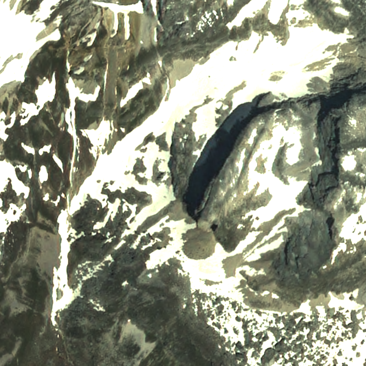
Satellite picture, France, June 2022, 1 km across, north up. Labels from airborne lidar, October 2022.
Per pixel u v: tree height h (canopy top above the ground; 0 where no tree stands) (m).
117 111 0
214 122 0
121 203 0
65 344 0
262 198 0
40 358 0
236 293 0
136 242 0
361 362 0
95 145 0
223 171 0
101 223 0
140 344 0
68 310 0
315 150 0
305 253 0
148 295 0
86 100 0
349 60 0
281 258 0
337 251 0
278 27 0
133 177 0
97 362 0
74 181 0
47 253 0
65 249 0
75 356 0
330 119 0
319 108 0
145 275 0
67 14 0
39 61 0
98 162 0
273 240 0
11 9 0
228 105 0
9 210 0
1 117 0
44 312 0
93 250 0
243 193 0
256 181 0
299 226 0
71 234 0
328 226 0
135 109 0
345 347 0
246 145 0
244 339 0
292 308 0
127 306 0
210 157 0
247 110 0
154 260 0
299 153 0
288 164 0
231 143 0
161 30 0
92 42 0
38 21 0
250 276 0
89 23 0
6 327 0
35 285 0
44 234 0
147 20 0
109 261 0
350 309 0
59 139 0
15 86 0
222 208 0
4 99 0
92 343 0
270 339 0
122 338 0
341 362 0
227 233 0
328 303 0
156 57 0
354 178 0
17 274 0
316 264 0
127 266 0
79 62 0
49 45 0
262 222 0
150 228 0
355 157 0
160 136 0
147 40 0
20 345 0
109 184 0
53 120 0
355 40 0
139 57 0
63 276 0
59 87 0
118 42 0
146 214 0
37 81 0
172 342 0
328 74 0
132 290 0
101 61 0
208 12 0
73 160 0
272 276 0
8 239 0
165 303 0
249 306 0
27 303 0
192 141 0
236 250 0
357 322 0
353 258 0
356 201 0
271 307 0
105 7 0
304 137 0
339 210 0
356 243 0
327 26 0
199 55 0
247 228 0
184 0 0
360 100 0
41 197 0
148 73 0
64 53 0
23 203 0
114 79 0
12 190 0
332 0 0
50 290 0
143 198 0
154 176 0
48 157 0
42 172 0
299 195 0
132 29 0
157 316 0
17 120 0
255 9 0
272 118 0
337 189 0
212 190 0
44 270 0
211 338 0
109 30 0
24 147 0
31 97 0
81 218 0
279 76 0
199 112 0
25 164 0
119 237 0
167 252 0
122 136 0
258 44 0
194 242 0
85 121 0
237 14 0
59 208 0
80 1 0
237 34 0
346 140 0
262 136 0
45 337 0
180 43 18
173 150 0
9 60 0
